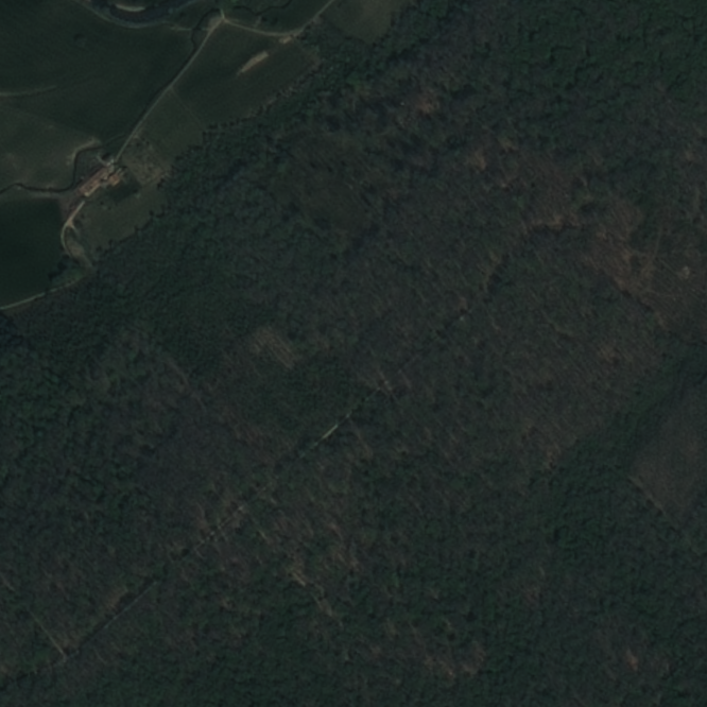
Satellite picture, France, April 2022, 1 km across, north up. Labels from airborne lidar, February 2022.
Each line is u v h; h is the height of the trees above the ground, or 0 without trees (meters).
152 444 32
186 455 31
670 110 28
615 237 15
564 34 27
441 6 24
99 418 29
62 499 29
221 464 30
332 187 0
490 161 23
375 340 33
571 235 27
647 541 26
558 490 24
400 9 0
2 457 30
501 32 26
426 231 33
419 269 28
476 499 31
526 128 32
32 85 0
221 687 26
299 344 31
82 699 32
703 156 25
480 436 29
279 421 15
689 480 0
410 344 32
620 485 25
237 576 25
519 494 32
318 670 28
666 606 27
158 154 0
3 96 0
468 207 33
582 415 29
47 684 24
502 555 28
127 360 28
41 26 0
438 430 31
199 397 28
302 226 27
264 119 10
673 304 0
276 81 0
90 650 27
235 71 0
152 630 29
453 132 28
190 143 0
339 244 33
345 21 0
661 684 22
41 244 0
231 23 0
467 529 27
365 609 24
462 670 29
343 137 34
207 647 26
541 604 29
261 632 25
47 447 28
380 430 30
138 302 7
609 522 26
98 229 0
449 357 31
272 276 29
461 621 29
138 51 0
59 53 0
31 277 0
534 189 17
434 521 29
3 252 0
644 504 24
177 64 0
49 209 0
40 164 0
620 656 28
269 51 0
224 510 28
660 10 23
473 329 28
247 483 31
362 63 12
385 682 22
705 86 26
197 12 0
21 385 25
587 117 31
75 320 8
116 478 26
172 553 28
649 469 0
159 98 0
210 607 25
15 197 0
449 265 31
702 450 0
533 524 26
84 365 6
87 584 30
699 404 0
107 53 0
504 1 30
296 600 25
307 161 0
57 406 20
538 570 31
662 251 0
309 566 29
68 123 0
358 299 32
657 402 19
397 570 27
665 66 22
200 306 8
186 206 16
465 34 32
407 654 27
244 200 25
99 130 0
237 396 16
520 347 33
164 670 30
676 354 23
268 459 19
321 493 33
